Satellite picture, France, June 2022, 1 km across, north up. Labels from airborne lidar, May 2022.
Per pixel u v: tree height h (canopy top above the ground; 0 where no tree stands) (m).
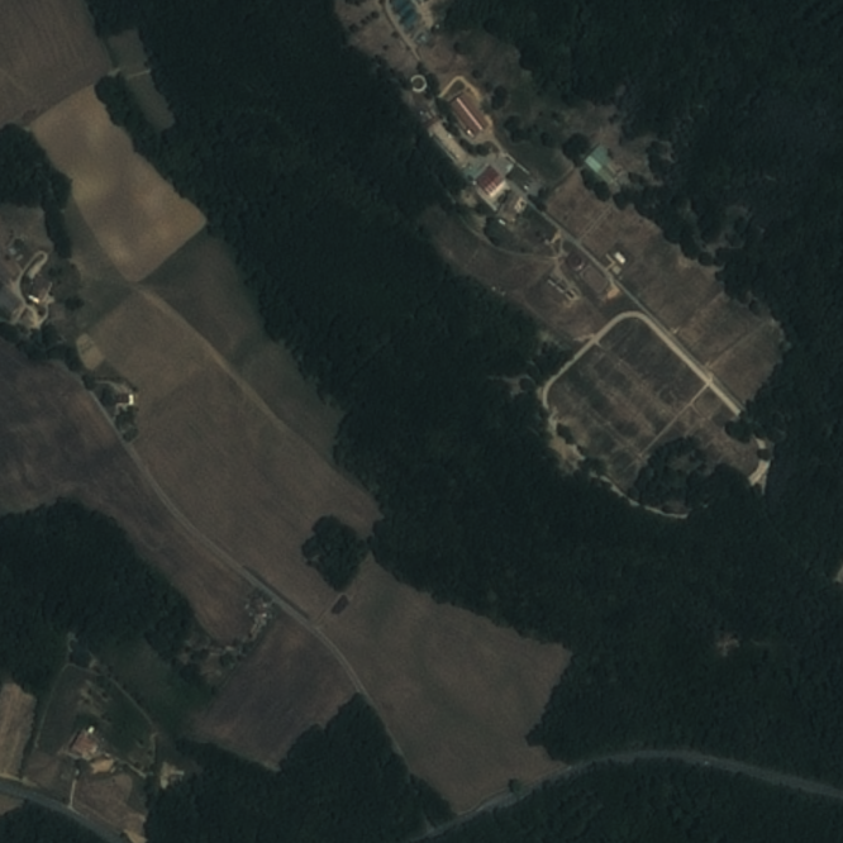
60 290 0
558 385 0
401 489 17
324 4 17
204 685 11
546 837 22
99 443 0
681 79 19
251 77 20
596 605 17
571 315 0
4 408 0
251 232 25
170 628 12
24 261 0
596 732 13
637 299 0
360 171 15
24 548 26
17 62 0
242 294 0
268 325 15
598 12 23
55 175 22
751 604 21
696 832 26
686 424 0
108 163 0
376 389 18
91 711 0
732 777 13
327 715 0
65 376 0
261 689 0
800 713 6
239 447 0
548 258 0
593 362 0
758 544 17
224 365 0
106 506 0
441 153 12
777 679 14
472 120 0
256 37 16
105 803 0
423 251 26
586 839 19
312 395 0
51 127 0
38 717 11
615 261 0
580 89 23
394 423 22
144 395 0
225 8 22
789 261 22
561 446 0
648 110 24
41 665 13
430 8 0
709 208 22
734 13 19
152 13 17
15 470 0
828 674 11
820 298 17
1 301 0
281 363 0
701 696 8
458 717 0
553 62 20
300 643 0
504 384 15
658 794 22
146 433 0
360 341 17
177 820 28
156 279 0
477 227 0
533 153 0
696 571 19
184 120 22
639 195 15
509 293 0
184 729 0
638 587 18
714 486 19
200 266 0
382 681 0
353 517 0
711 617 14
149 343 0
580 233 0
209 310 0
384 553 20
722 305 0
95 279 0
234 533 0
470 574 14
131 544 13
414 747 0
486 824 14
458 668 0
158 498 0
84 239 0
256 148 23
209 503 0
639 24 18
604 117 0
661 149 12
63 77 0
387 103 19
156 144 9
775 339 0
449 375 16
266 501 0
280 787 19
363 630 0
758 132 15
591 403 0
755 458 0
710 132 19
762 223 15
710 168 19
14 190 17
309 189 21
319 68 20
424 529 13
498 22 21
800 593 12
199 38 19
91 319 0
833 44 21
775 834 25
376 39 0
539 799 17
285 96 20
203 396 0
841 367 16
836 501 10
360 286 21
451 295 20
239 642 11
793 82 20
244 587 0
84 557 13
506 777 0
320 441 0
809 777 13
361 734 18
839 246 23
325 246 22
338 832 16
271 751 0
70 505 17
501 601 20
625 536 18
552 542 18
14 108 0
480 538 15
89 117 0
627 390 0
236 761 13
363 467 15
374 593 0
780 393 18
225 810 23
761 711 19
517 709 0
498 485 14
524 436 19
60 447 0
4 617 20
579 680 17
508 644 0
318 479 0
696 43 22
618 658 19
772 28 18
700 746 14
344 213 24
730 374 0
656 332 0
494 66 0
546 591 14
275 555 0
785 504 14
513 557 17
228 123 29
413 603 0
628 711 20
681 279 0
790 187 13
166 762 0
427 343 13
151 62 14
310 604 0
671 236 17
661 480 15
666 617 15
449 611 0
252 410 0
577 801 17
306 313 28
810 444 17
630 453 0
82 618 10
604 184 12
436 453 17
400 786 20
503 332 17
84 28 0
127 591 24
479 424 18
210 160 9
